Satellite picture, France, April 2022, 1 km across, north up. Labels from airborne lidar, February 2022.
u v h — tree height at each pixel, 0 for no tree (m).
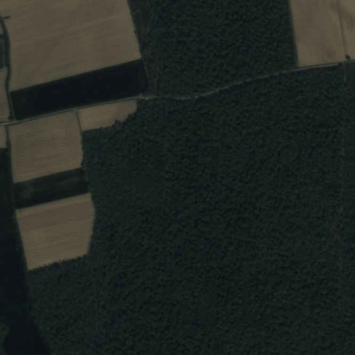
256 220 19
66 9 0
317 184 24
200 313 14
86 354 16
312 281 27
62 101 0
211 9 24
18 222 0
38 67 0
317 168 23
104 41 0
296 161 15
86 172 18
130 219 9
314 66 0
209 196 16
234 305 20
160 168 15
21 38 0
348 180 16
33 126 0
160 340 17
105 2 0
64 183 0
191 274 14
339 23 0
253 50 12
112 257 17
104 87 0
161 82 13
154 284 17
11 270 0
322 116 18
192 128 14
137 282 10
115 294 21
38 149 0
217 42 18
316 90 21
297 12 0
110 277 20
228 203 20
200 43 24
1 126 0
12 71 0
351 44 0
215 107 17
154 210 14
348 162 18
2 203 0
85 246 0
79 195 0
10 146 0
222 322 15
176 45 21
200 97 0
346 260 22
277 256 23
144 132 19
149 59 11
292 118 18
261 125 13
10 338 0
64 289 24
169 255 25
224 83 15
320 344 16
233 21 18
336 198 20
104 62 0
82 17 0
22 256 12
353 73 19
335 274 21
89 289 21
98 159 18
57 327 0
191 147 16
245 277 11
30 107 0
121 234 14
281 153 18
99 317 25
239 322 20
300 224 13
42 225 0
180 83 17
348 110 17
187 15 19
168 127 22
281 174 16
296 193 21
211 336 17
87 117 0
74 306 21
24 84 0
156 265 16
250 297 19
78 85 0
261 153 24
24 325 0
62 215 0
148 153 15
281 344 19
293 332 12
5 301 0
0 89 0
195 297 22
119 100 0
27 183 0
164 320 26
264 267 8
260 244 19
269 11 14
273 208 17
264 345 20
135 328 15
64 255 0
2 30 0
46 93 0
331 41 0
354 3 0
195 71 19
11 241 0
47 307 19
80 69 0
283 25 13
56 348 14
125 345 25
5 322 0
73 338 23
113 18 0
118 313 0
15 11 0
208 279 14
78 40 0
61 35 0
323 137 23
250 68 17
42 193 0
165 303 23
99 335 22
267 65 13
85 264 16
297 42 0
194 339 18
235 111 21
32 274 17
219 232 22
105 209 19
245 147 18
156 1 22
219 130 19
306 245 24
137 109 0
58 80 0
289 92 18
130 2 16
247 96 20
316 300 20
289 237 24
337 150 15
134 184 14
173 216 18
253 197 17
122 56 0
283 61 13
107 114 0
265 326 17
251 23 18
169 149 13
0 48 0
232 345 15
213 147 11
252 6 19
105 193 17
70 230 0
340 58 0
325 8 0
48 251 0
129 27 0
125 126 16
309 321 19
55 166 0
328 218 21
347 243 20
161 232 14
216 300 13
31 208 0
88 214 0
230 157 16
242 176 17
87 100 0
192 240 20
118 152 19
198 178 8
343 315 12
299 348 23
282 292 21
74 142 0
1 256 0
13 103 0
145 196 14
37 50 0
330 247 18
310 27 0
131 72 0
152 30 19
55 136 0
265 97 12
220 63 8
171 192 12
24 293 0
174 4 19
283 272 22
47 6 0
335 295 22
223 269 22
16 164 0
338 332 19
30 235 0
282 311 24
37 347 0
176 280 16
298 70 0
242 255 7
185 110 19
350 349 13
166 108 23
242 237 22
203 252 27
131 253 14
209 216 23
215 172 10
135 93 0
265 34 18
